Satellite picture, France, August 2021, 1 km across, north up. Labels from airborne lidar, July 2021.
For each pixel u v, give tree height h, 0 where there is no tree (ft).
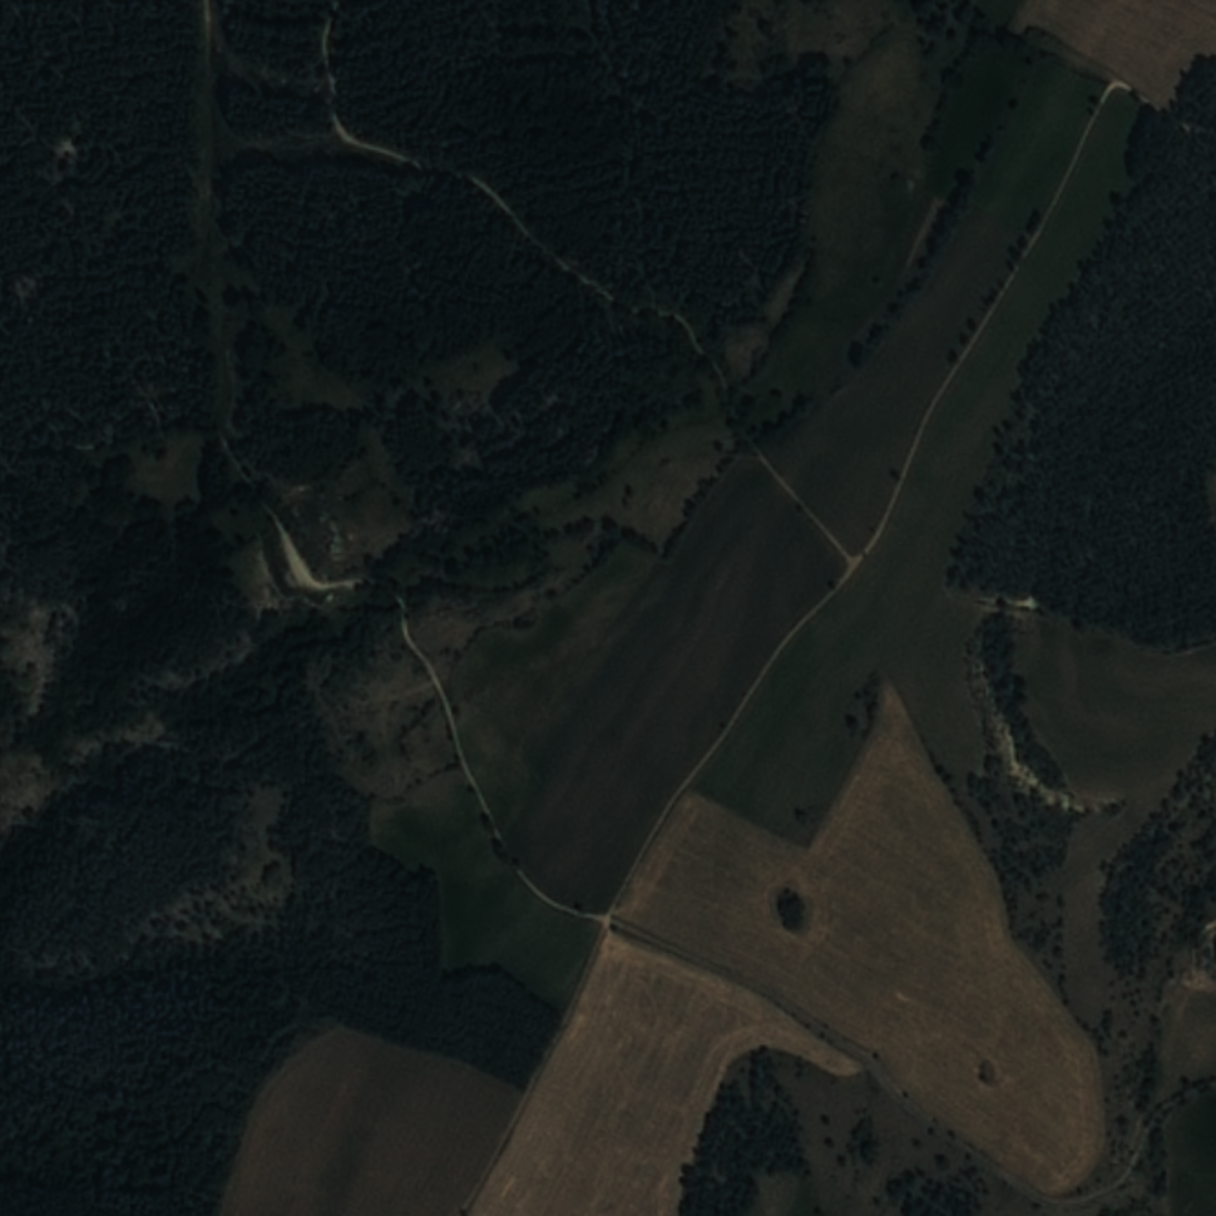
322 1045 0
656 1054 0
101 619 59
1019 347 0
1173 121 49
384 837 0
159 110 70
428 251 92
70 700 32
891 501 0
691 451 0
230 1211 0
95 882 26
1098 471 53
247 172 76
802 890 0
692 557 0
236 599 44
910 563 0
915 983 0
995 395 0
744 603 0
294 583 0
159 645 48
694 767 0
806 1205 0
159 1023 38
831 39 0
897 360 0
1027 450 46
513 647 0
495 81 82
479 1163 0
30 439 62
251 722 30
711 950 0
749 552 0
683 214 77
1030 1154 0
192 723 38
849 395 0
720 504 0
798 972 0
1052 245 0
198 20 84
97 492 35
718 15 65
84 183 47
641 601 0
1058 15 0
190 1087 52
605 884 0
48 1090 57
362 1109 0
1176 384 55
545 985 0
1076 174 0
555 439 42
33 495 70
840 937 0
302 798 46
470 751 0
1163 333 48
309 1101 0
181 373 69
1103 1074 0
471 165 76
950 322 0
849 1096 0
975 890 0
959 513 0
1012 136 0
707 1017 0
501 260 72
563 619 0
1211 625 46
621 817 0
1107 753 0
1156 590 44
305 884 21
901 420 0
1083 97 0
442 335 77
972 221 0
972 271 0
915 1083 0
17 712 45
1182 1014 0
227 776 40
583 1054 0
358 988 55
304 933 52
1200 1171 0
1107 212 0
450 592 24
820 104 81
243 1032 33
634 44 73
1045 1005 0
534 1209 0
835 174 0
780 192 84
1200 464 42
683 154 81
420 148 78
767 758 0
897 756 0
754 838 0
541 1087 0
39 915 40
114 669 58
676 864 0
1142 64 0
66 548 49
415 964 53
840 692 0
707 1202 36
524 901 0
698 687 0
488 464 61
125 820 51
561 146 84
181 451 0
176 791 40
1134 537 51
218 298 0
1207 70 51
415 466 36
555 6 65
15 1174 47
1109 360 46
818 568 0
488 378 0
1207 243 48
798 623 0
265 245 87
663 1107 0
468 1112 0
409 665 0
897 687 0
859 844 0
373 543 0
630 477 0
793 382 0
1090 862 0
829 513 0
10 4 61
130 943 34
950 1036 0
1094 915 0
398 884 49
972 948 0
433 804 0
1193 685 0
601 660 0
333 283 78
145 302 68
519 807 0
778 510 0
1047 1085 0
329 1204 0
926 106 0
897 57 0
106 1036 50
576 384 75
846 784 0
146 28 60
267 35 72
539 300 74
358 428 55
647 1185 0
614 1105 0
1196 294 42
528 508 0
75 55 68
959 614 0
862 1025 0
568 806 0
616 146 74
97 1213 45
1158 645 40
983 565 46
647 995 0
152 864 42
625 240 77
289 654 26
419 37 82
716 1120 39
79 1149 36
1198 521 48
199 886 36
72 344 65
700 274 82
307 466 58
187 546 66
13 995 40
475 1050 44
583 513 0
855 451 0
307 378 0
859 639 0
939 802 0
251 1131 0
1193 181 44
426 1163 0
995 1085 0
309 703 20
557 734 0
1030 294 0
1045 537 52
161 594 62
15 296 47
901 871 0
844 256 0
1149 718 0
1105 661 0
